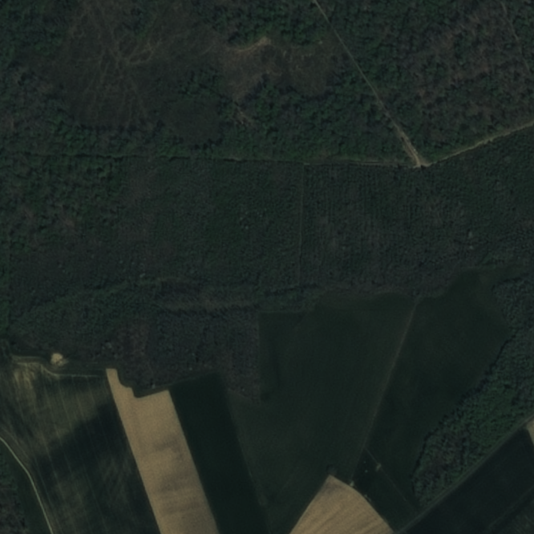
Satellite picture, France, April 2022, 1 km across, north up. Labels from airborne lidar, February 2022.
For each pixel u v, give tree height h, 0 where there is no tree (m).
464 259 7
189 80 0
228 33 27
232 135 26
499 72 24
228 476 0
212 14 20
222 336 23
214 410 0
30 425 0
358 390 0
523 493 0
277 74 0
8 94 23
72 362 0
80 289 20
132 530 0
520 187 6
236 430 0
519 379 10
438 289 13
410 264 11
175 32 0
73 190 22
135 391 0
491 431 22
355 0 21
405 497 0
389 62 24
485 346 0
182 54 0
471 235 15
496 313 0
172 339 22
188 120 0
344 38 24
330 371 0
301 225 13
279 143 21
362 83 25
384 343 0
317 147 24
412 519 0
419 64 27
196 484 0
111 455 0
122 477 0
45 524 0
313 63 0
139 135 26
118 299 22
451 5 15
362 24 25
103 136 24
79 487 0
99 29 0
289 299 23
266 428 0
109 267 16
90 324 22
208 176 16
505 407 22
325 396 0
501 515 0
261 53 0
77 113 0
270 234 15
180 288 0
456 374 0
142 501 0
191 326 23
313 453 0
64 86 0
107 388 0
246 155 20
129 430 0
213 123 0
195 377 0
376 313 0
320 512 0
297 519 0
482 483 0
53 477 0
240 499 0
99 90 0
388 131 27
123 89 0
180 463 0
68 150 16
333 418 0
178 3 0
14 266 14
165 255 12
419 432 0
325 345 0
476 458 20
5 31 23
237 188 14
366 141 24
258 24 23
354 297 0
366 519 0
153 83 0
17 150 22
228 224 14
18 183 26
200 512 0
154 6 24
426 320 0
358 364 0
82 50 0
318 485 0
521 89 25
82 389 0
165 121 0
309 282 11
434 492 21
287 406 0
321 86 0
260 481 0
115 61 0
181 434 0
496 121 21
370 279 9
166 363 15
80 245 16
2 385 0
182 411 0
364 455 0
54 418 0
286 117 26
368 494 0
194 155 21
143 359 0
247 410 0
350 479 0
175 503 0
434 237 7
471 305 0
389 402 0
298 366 0
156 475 0
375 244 13
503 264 16
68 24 27
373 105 23
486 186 6
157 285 22
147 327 0
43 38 23
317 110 22
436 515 0
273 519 0
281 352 0
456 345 0
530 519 0
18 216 27
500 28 23
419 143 22
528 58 19
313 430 0
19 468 0
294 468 0
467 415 17
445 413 0
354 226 10
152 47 0
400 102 23
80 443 0
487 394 18
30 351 0
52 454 0
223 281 18
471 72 25
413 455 0
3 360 0
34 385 0
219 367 6
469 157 0
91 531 0
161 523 0
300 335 0
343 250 10
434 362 0
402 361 0
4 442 0
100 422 0
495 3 24
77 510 0
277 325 0
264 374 0
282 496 0
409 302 0
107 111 0
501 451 0
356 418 0
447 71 21
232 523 0
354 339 0
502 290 11
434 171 10
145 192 14
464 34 25
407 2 17
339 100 25
